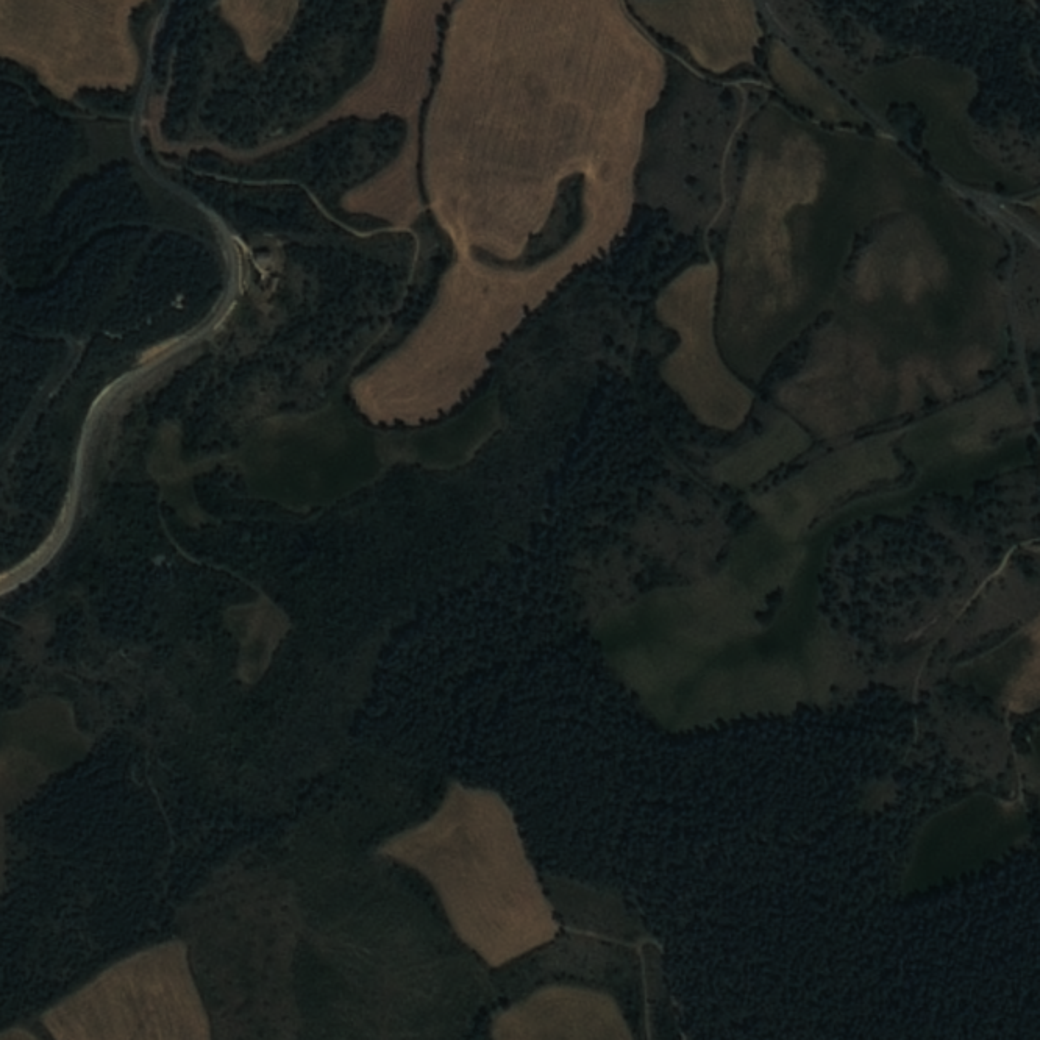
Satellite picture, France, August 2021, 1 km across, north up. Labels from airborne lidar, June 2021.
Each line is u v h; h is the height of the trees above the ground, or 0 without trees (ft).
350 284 29
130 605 26
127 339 30
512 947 0
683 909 53
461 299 0
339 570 31
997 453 0
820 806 61
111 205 34
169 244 30
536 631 63
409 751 49
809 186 0
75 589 0
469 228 0
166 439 0
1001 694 0
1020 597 0
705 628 0
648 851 47
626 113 0
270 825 24
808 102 0
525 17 0
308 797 27
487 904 0
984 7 42
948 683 21
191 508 0
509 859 0
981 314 0
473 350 0
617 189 0
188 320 25
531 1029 0
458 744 58
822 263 0
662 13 0
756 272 0
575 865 50
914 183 0
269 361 29
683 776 76
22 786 0
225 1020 0
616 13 0
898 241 0
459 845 0
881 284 0
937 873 0
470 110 0
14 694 22
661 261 50
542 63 0
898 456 20
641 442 52
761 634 0
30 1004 22
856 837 49
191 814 20
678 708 0
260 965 0
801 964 50
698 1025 54
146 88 0
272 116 24
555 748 51
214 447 27
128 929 22
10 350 27
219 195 20
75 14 0
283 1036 0
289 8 0
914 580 26
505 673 83
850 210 0
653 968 0
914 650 0
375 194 0
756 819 60
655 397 40
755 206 0
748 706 0
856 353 0
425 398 0
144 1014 0
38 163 32
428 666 40
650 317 20
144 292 26
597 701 66
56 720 0
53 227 42
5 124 24
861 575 30
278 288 30
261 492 0
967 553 0
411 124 0
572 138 0
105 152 0
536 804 43
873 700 33
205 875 23
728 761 77
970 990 44
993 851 0
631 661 0
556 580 46
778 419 0
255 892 0
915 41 56
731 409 0
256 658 0
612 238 0
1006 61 67
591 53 0
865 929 75
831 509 0
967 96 0
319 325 29
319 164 28
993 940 62
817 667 0
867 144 0
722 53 0
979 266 0
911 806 44
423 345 0
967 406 0
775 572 0
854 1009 60
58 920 23
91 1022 0
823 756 66
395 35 0
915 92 0
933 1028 37
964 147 0
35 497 26
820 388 0
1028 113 39
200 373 25
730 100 43
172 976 0
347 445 0
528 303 0
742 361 0
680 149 0
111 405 0
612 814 47
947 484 0
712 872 60
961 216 0
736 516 41
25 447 18
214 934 0
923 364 0
